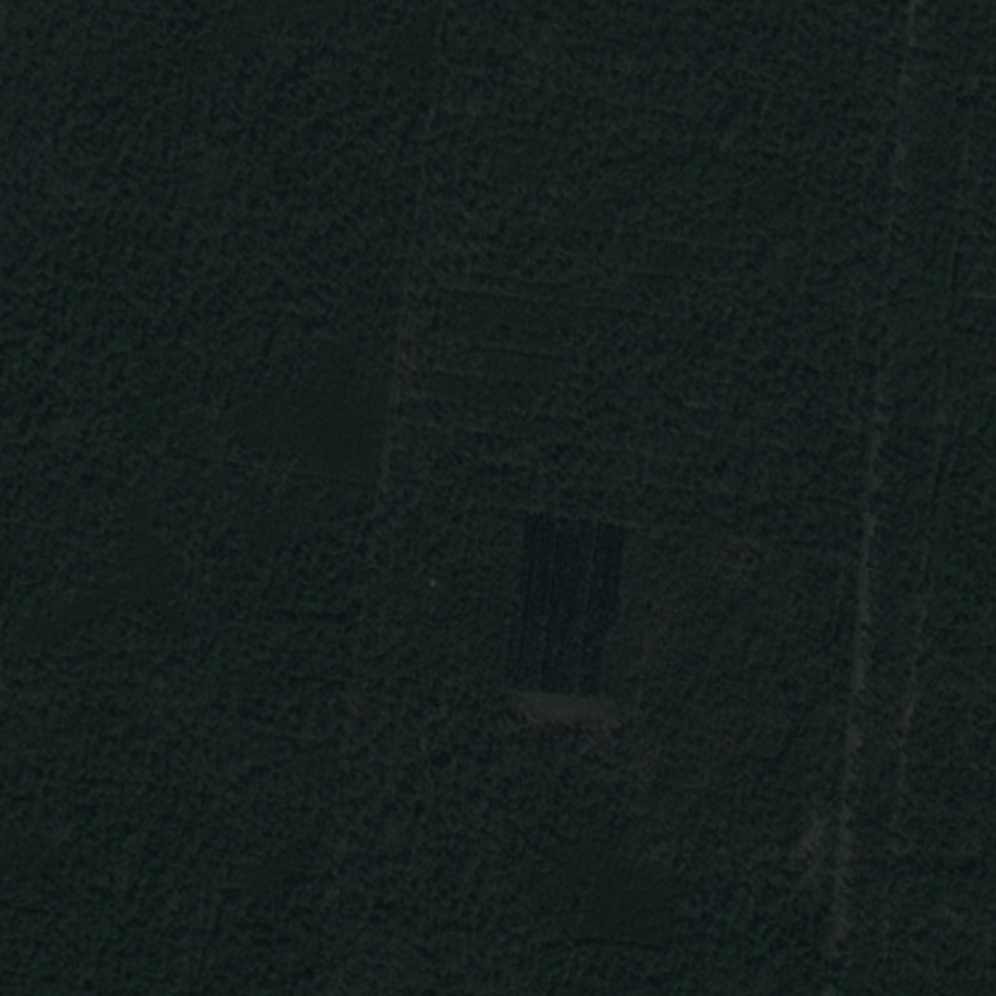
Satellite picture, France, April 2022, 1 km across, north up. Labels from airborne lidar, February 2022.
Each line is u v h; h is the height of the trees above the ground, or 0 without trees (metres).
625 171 18
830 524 16
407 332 17
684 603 11
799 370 18
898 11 15
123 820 17
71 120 21
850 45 17
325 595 9
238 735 19
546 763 15
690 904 17
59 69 9
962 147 9
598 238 9
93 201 20
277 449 8
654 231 19
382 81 18
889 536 13
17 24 8
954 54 13
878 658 13
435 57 9
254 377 8
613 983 10
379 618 17
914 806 14
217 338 17
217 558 13
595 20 7
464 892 18
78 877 18
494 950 20
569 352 8
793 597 10
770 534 18
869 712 17
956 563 17
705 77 17
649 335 6
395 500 6
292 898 17
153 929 17
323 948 10
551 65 15
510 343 20
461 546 10
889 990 16
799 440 15
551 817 8
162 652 16
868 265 19
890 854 14
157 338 18
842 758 10
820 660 13
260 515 6
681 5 8
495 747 16
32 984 20
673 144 10
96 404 18
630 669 12
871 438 15
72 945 20
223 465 8
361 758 13
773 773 16
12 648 9
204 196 8
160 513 8
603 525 9
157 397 15
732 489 14
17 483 7
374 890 17
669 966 15
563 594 9
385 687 13
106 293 9
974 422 16
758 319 14
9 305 16
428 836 15
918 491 16
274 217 17
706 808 7
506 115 15
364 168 17
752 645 11
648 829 11
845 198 14
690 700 13
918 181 15
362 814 19
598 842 16
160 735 17
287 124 20
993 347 16
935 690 14
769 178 15
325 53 19
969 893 17
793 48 19
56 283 7
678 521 15
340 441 8
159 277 14
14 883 14
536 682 9
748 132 19
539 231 10
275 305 13
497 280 14
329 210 18
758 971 17
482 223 19
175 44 9
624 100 16
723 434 18
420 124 19
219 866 18
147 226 14
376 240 13
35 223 17
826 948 10
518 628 9
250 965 16
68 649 17
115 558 14
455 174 13
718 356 20
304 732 19
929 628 11
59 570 17
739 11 16
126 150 19
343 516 17
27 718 13
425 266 15
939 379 19
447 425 18
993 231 17
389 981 18
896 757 13
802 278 15
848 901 17
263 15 11
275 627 17
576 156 16
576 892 9
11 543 13
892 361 15
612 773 19
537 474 17
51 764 16
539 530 13
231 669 17
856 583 15
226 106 16
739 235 7
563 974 16
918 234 14
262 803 16
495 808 19
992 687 19
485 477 16
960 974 14
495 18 18
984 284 14
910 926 16
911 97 16
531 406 10
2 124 20
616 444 19
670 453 20
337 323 12
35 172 19
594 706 0
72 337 15
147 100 13
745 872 15
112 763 17
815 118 15
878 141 9
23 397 16
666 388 18
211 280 12
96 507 16
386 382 8
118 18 14
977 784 17
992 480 18
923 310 18
